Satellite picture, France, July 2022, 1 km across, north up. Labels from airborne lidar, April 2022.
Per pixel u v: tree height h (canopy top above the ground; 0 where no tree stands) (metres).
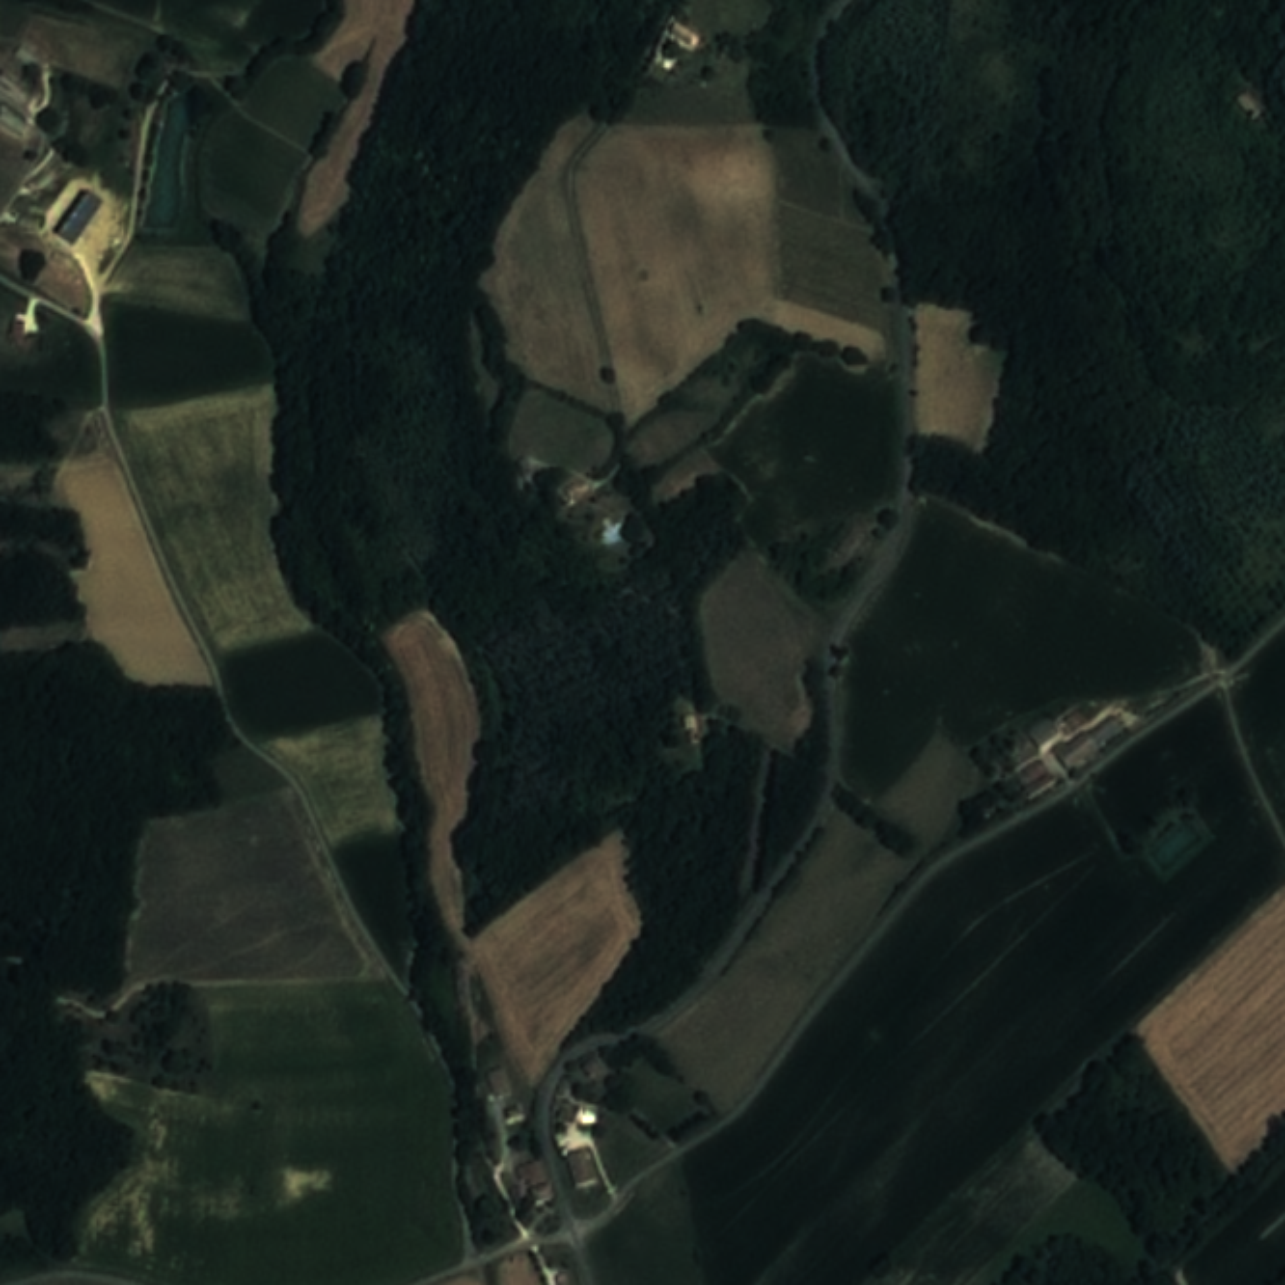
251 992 0
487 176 18
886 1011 0
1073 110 9
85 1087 13
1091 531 8
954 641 0
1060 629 0
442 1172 0
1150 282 17
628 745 15
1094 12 9
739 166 0
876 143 11
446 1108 0
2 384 0
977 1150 0
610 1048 7
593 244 0
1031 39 7
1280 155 6
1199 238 9
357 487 8
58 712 19
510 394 10
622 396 0
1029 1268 18
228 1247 0
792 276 0
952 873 0
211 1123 0
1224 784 0
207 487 0
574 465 0
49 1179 23
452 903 0
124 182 0
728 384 6
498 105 18
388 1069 0
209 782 15
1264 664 0
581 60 15
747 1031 0
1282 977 0
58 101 0
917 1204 0
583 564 12
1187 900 0
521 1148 12
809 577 10
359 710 0
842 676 13
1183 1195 6
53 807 17
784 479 0
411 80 16
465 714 0
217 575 0
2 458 16
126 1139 9
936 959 0
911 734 0
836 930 0
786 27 10
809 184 0
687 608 13
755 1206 0
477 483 11
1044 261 23
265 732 0
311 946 0
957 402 0
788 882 9
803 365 0
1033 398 15
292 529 15
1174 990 0
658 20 8
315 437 16
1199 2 10
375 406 18
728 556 13
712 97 0
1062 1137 16
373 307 14
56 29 0
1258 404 8
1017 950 0
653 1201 0
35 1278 0
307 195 0
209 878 0
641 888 13
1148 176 8
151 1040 7
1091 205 7
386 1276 0
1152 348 18
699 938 13
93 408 0
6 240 0
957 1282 0
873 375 0
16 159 0
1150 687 0
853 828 0
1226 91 8
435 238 16
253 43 0
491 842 19
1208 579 16
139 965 0
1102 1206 0
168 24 0
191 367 0
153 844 0
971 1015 0
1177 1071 0
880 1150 0
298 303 7
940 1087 0
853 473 0
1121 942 0
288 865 0
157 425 0
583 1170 0
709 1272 0
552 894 0
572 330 0
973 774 0
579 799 8
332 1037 0
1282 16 10
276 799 0
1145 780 0
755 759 14
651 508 12
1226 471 8
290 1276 0
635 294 0
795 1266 0
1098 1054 0
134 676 0
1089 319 18
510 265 0
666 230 0
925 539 0
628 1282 0
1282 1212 0
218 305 0
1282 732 0
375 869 0
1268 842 0
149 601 0
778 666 0
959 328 0
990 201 10
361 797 0
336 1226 0
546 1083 0
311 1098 0
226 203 0
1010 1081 0
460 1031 0
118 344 0
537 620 17
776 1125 0
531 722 18
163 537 0
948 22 15
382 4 0
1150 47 6
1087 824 0
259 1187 0
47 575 15
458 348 16
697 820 12
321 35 12
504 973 0
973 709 0
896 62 14
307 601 13
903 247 17
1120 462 17
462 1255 0
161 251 0
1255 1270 0
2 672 19
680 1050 0
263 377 0
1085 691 0
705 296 0
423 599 12
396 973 0
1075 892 0
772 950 0
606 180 0
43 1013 10
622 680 18
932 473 19
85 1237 0
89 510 0
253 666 0
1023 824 0
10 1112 18
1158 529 16
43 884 14
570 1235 0
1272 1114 0
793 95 10
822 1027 0
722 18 0
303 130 0
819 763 10
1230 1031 0
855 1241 0
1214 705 0
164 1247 0
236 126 0
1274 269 14
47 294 0
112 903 15
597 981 0
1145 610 0
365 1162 0
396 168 18
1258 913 0
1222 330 8
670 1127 0
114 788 20
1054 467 22
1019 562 0
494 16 19
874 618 0
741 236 0
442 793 0
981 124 7
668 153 0
